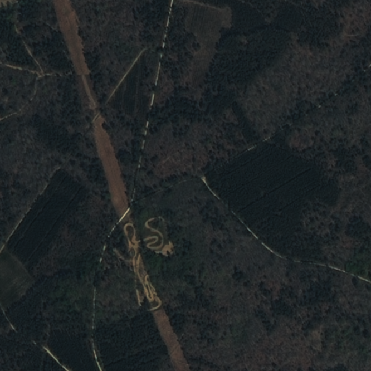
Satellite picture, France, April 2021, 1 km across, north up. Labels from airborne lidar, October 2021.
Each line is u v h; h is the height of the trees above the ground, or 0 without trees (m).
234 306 10
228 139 14
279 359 9
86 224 7
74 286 20
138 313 17
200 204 18
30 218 10
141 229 18
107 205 15
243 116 19
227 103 18
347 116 8
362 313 15
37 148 11
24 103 7
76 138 18
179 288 16
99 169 14
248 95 16
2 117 24
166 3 18
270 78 14
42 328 17
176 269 18
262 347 7
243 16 13
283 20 12
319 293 19
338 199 15
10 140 9
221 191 20
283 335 9
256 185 15
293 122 16
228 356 9
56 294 23
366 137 12
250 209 20
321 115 12
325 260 11
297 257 19
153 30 9
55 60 19
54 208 10
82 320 25
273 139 14
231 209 18
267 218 18
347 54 8
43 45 6
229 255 14
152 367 22
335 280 9
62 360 13
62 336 12
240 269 10
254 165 16
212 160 16
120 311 17
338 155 13
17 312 19
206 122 17
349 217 13
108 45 12
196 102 9
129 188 16
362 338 13
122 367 17
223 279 7
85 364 13
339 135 9
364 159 7
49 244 9
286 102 15
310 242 5
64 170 6
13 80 9
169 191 14
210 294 5
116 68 10
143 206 13
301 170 16
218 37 0
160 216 11
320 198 16
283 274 13
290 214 17
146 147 10
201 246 10
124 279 20
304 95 10
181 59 15
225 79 20
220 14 0
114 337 27
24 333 17
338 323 19
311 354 13
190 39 15
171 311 12
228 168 18
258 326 13
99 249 9
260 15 12
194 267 12
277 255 16
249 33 10
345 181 10
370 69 8
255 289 13
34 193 10
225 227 8
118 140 6
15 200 11
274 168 14
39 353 15
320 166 11
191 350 12
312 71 11
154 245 0
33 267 8
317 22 20
